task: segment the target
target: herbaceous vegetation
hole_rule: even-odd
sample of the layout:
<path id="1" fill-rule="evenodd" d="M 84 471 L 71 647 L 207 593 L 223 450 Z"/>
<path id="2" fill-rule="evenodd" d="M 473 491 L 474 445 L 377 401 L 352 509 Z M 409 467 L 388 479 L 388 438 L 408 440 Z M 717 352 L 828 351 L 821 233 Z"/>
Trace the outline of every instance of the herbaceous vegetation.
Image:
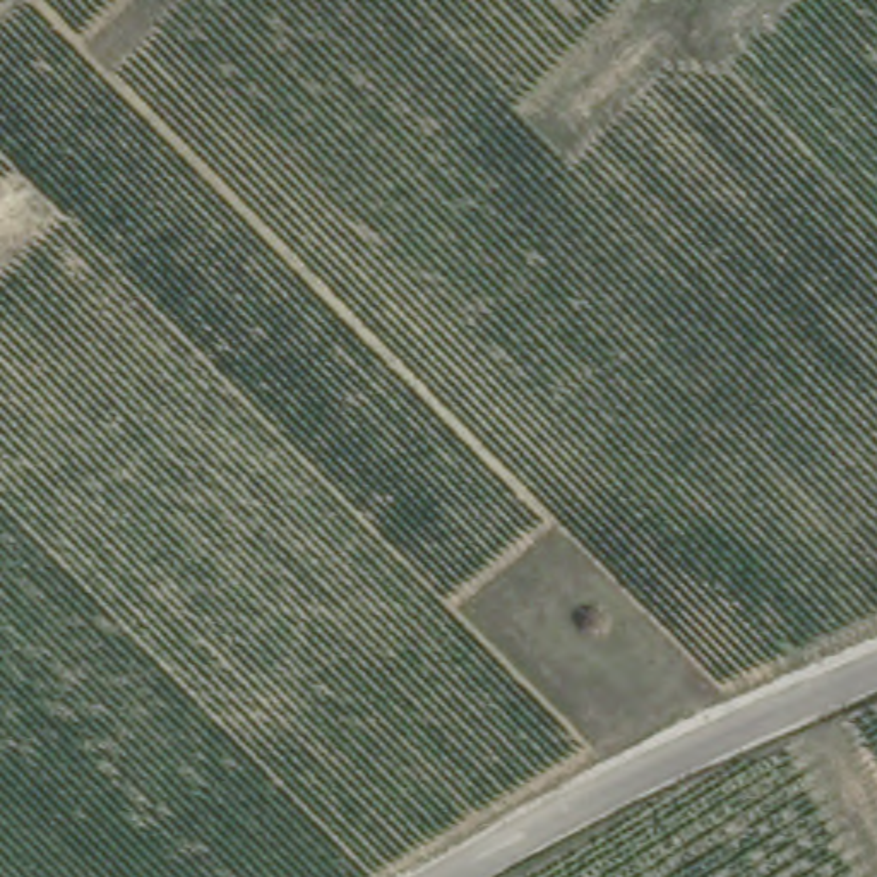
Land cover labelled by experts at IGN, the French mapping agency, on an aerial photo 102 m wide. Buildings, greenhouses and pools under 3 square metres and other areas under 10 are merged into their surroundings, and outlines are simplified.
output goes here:
<path id="1" fill-rule="evenodd" d="M 723 702 L 723 678 L 716 678 L 627 586 L 620 586 L 617 576 L 586 548 L 586 541 L 579 541 L 562 521 L 555 521 L 541 541 L 534 541 L 510 569 L 504 569 L 462 606 L 517 661 L 517 668 L 528 671 L 572 716 L 572 723 L 586 733 L 589 747 L 603 761 L 644 743 L 647 737 L 675 726 L 678 719 L 695 716 L 699 709 Z"/>

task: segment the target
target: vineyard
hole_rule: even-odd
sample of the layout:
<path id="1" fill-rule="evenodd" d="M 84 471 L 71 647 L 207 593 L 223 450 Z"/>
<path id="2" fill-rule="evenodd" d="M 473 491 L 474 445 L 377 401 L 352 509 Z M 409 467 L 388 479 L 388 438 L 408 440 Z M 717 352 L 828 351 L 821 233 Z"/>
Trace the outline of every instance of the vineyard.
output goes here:
<path id="1" fill-rule="evenodd" d="M 579 541 L 586 541 L 586 548 L 617 576 L 620 586 L 627 586 L 716 678 L 723 678 L 723 702 L 747 695 L 761 685 L 771 685 L 774 678 L 791 675 L 812 661 L 839 654 L 860 641 L 877 637 L 877 0 L 0 0 L 0 877 L 394 877 L 401 870 L 442 856 L 462 839 L 493 826 L 497 819 L 510 815 L 514 808 L 558 791 L 565 781 L 579 778 L 582 771 L 603 761 L 589 747 L 586 733 L 572 723 L 572 716 L 528 671 L 517 668 L 517 661 L 462 606 L 504 569 L 510 569 L 534 541 L 541 541 L 555 521 L 562 521 Z"/>
<path id="2" fill-rule="evenodd" d="M 569 832 L 565 839 L 538 853 L 528 853 L 524 860 L 490 877 L 877 877 L 877 692 L 863 695 L 860 702 L 829 709 L 819 719 L 788 730 L 747 754 L 692 771 L 644 798 L 634 798 L 606 819 L 596 819 L 586 829 Z"/>

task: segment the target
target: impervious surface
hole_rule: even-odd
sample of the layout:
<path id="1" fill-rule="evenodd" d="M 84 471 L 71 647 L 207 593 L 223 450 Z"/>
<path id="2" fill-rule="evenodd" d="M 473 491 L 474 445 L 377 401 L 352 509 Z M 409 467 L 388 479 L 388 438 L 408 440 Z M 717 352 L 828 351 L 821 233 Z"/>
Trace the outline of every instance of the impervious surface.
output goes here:
<path id="1" fill-rule="evenodd" d="M 401 870 L 394 877 L 490 877 L 524 860 L 528 853 L 538 853 L 565 839 L 569 832 L 586 829 L 596 819 L 606 819 L 634 798 L 644 798 L 692 771 L 747 754 L 788 730 L 819 719 L 829 709 L 860 702 L 863 695 L 877 692 L 877 637 L 860 641 L 839 654 L 812 661 L 791 675 L 774 678 L 771 685 L 761 685 L 747 695 L 723 702 L 699 709 L 695 716 L 678 719 L 675 726 L 647 737 L 644 743 L 603 761 L 582 771 L 579 778 L 565 781 L 558 791 L 514 808 L 510 815 L 497 819 L 493 826 L 462 839 L 442 856 Z"/>

